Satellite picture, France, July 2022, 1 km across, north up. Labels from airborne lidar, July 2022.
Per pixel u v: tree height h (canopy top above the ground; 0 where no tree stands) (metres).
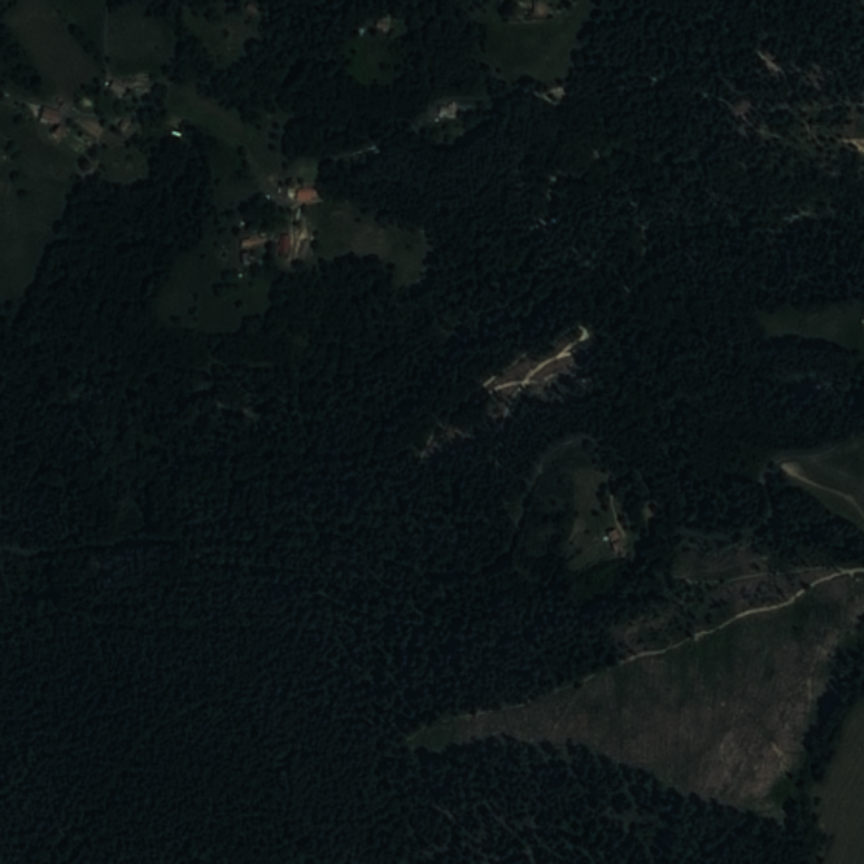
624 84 31
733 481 28
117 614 28
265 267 9
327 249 0
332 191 22
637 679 0
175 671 22
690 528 22
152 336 17
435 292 26
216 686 18
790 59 23
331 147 21
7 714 23
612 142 31
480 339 18
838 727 22
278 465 30
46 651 21
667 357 24
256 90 16
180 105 0
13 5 7
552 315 28
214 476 32
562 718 0
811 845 7
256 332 12
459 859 19
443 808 28
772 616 0
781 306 20
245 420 32
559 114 16
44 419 20
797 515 31
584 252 17
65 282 22
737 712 0
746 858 16
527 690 31
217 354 13
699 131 28
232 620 24
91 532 31
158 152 15
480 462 26
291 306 22
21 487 19
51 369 24
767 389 33
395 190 24
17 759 27
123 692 26
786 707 0
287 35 22
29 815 15
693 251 38
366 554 27
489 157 31
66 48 0
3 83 6
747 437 10
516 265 7
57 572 26
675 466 21
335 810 25
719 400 26
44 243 0
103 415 34
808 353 28
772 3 17
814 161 17
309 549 25
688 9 33
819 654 0
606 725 0
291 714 27
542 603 24
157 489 32
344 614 35
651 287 17
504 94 15
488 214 25
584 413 25
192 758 20
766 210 31
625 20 30
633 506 26
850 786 0
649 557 23
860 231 16
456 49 21
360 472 37
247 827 15
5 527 30
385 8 12
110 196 20
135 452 31
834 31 29
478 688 26
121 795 14
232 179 0
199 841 12
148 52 0
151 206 21
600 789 23
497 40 0
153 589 28
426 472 27
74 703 24
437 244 13
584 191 28
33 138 0
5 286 0
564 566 9
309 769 22
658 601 32
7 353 16
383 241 0
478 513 31
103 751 25
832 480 0
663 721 0
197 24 0
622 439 24
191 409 30
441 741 0
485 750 17
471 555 29
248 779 22
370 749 34
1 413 23
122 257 21
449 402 31
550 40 0
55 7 0
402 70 9
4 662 29
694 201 16
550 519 9
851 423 37
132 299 17
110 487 26
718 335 28
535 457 23
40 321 20
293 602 33
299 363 8
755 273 35
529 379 0
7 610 28
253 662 19
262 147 0
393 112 14
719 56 24
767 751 0
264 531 28
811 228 22
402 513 42
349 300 18
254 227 16
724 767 0
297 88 18
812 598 0
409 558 33
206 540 27
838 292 15
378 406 22
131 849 13
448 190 28
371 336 12
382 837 27
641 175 29
